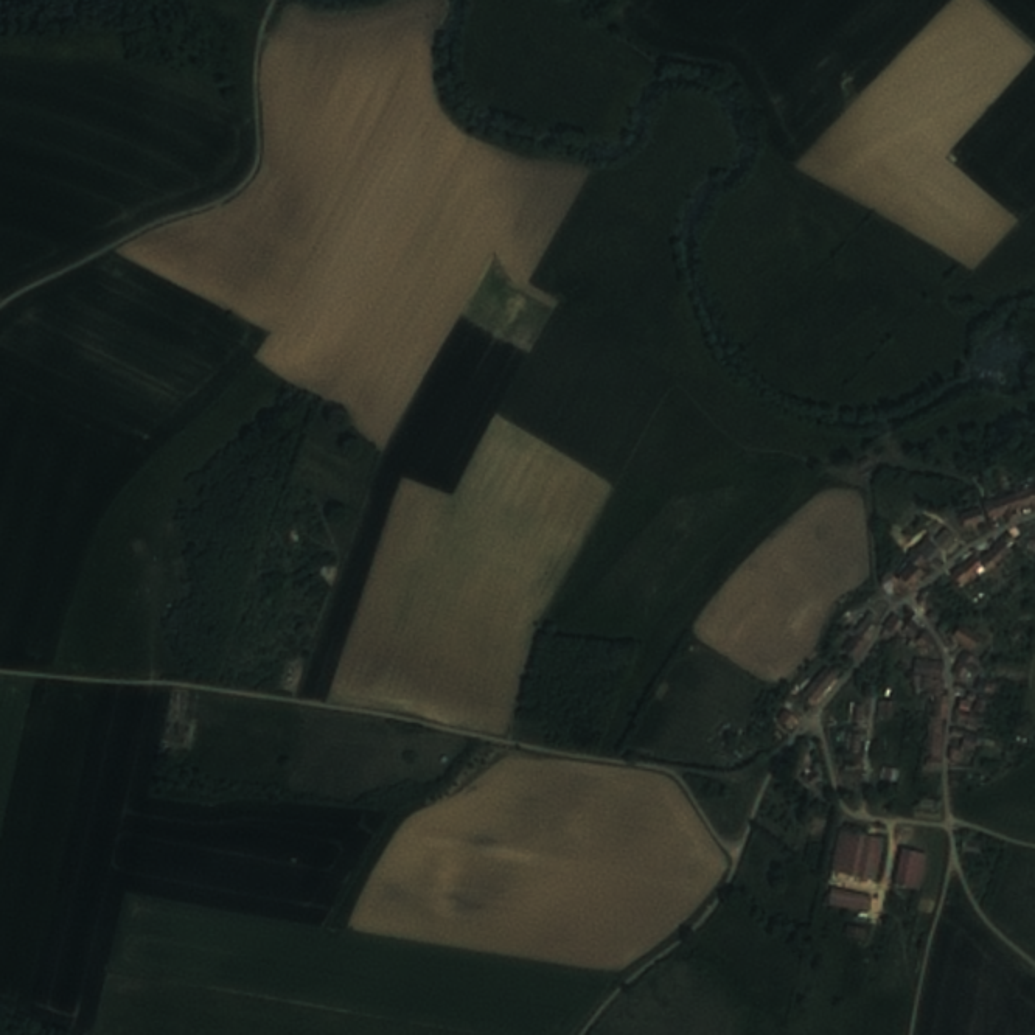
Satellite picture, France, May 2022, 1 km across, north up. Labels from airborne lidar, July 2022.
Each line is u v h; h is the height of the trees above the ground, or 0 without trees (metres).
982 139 0
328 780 0
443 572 0
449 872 0
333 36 0
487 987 0
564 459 0
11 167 0
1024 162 0
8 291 0
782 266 0
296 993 0
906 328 0
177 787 7
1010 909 0
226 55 7
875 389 0
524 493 0
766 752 6
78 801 0
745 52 0
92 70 0
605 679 20
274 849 0
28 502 0
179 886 0
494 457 0
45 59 0
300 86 0
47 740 0
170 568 0
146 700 0
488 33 0
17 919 0
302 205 0
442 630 0
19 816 0
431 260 0
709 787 11
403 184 0
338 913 0
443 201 0
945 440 10
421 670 0
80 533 0
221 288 0
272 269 0
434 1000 0
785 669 0
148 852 0
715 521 0
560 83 0
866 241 0
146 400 0
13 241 0
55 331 0
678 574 0
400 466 0
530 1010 0
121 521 0
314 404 7
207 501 5
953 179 0
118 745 0
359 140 0
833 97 0
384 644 0
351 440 16
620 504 0
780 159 0
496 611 0
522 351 0
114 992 0
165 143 0
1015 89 0
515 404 0
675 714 0
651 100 18
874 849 0
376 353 0
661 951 0
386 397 0
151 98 0
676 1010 0
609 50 0
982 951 0
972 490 6
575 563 0
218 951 0
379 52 0
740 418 0
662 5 0
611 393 0
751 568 0
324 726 0
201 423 0
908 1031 0
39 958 0
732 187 12
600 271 0
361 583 0
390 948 0
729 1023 0
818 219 0
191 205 0
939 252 0
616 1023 0
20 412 0
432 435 0
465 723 0
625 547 0
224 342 0
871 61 0
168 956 0
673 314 0
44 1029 9
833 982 0
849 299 0
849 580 0
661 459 0
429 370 0
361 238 0
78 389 0
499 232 0
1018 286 0
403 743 0
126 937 0
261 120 0
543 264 0
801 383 0
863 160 0
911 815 0
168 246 0
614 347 0
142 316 0
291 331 0
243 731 0
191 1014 0
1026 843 0
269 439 15
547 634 14
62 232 0
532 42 0
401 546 0
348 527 0
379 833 0
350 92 0
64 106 0
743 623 0
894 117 0
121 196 0
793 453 0
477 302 0
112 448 0
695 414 0
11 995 0
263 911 0
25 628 0
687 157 0
